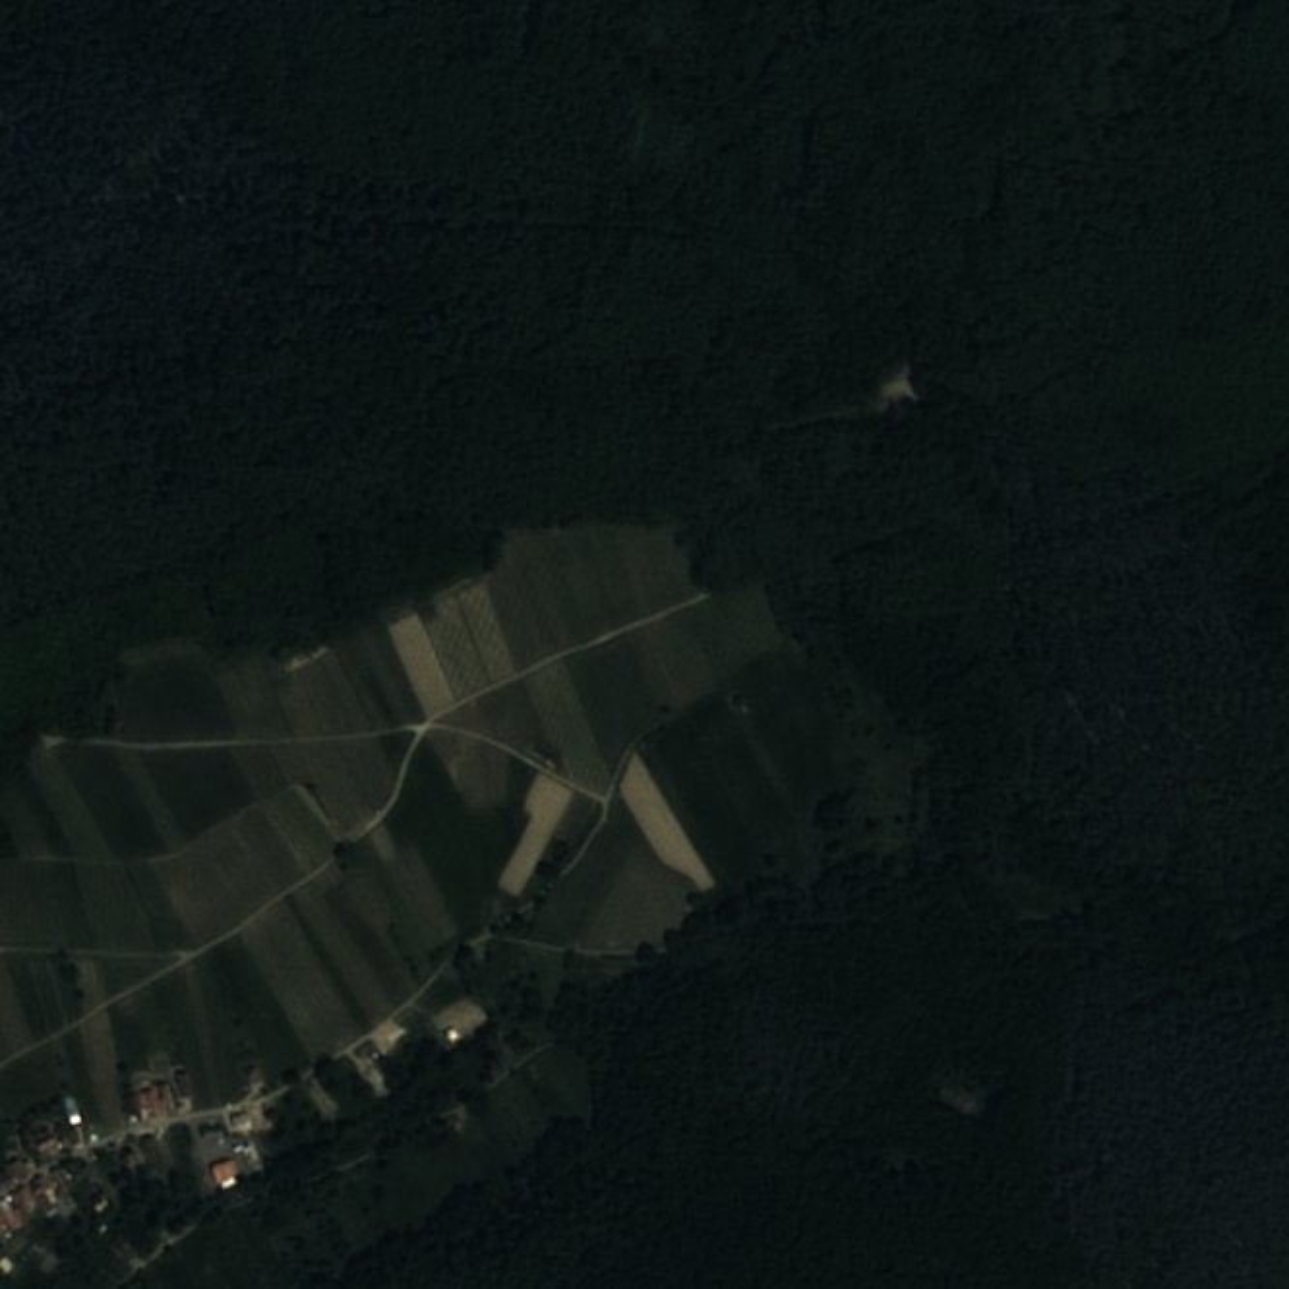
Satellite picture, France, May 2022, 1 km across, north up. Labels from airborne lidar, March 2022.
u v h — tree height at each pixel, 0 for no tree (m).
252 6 23
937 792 11
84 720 14
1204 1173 12
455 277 22
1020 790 17
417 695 0
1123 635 22
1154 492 17
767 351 17
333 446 22
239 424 19
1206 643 19
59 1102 7
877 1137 22
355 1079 8
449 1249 16
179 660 0
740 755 0
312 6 21
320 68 24
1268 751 25
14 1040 0
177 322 27
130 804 0
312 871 0
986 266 19
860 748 0
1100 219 27
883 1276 25
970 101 20
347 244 26
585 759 0
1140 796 19
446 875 0
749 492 20
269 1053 0
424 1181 0
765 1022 20
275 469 24
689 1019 20
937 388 16
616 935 0
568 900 0
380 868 0
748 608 0
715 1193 19
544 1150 12
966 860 21
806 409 16
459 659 0
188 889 0
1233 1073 22
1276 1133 16
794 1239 25
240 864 0
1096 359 14
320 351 22
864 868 13
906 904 15
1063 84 22
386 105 19
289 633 16
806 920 21
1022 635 19
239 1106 0
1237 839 20
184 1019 0
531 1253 18
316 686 0
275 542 16
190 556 20
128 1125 0
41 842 0
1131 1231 20
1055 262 25
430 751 0
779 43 22
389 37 20
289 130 22
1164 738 22
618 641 0
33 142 31
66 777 0
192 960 0
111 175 25
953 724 23
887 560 22
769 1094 19
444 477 18
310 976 0
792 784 0
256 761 0
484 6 18
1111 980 23
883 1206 25
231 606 17
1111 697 21
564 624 0
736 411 12
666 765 0
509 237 17
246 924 0
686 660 0
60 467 21
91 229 27
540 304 12
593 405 20
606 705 0
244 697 0
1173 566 22
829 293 20
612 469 18
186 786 0
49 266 31
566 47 21
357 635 0
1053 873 15
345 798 0
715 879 0
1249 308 21
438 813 0
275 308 27
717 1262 23
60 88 30
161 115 26
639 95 20
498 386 15
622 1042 19
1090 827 22
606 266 18
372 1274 12
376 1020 0
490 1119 0
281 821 0
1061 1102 13
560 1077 0
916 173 20
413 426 24
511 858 0
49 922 0
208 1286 0
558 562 0
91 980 0
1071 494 17
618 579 0
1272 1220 24
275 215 29
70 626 17
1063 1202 23
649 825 0
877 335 19
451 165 21
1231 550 17
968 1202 25
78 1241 9
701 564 13
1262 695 20
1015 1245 24
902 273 22
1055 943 14
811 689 0
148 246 26
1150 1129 23
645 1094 21
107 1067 0
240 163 28
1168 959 15
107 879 0
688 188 19
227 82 26
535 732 0
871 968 23
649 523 19
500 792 0
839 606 20
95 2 28
